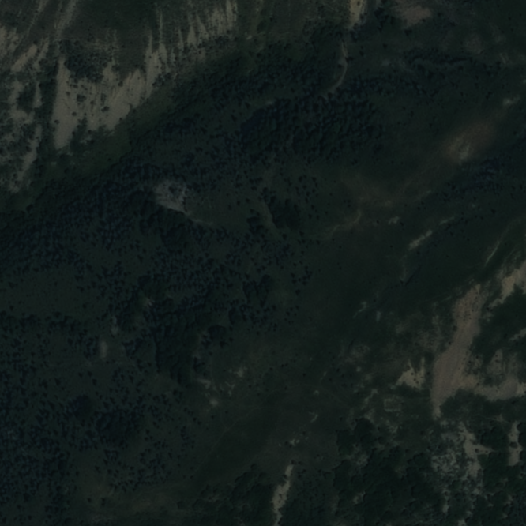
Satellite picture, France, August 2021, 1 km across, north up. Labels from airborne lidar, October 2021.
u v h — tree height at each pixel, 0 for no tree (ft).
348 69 0
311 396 0
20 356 36
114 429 64
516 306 0
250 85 41
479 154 0
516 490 34
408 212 0
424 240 0
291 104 34
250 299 43
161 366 55
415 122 0
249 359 0
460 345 0
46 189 30
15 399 26
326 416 0
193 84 40
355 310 0
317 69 30
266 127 67
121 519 0
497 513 41
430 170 0
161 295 53
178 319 50
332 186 0
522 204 0
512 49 0
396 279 0
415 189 0
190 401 0
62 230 24
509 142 0
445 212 0
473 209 0
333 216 0
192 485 0
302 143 59
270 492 39
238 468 0
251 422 0
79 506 0
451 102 0
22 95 21
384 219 0
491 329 0
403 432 0
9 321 45
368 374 0
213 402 0
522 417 0
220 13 0
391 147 0
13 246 20
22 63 0
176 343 59
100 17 0
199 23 0
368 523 47
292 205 32
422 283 0
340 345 0
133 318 47
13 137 19
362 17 24
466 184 0
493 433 48
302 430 0
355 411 0
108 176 45
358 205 0
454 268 0
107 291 41
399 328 0
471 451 0
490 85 0
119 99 0
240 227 0
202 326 51
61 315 33
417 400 0
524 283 0
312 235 0
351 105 24
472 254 0
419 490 50
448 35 0
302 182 33
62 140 0
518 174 0
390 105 0
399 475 37
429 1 0
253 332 0
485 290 0
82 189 48
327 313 0
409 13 0
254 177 0
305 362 0
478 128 0
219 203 0
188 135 31
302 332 0
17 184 26
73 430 19
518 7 0
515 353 0
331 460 0
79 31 0
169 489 0
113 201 69
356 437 32
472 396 0
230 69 37
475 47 0
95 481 0
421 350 0
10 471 43
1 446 48
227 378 0
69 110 0
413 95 0
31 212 69
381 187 0
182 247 40
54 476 55
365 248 0
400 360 0
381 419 0
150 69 0
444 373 0
